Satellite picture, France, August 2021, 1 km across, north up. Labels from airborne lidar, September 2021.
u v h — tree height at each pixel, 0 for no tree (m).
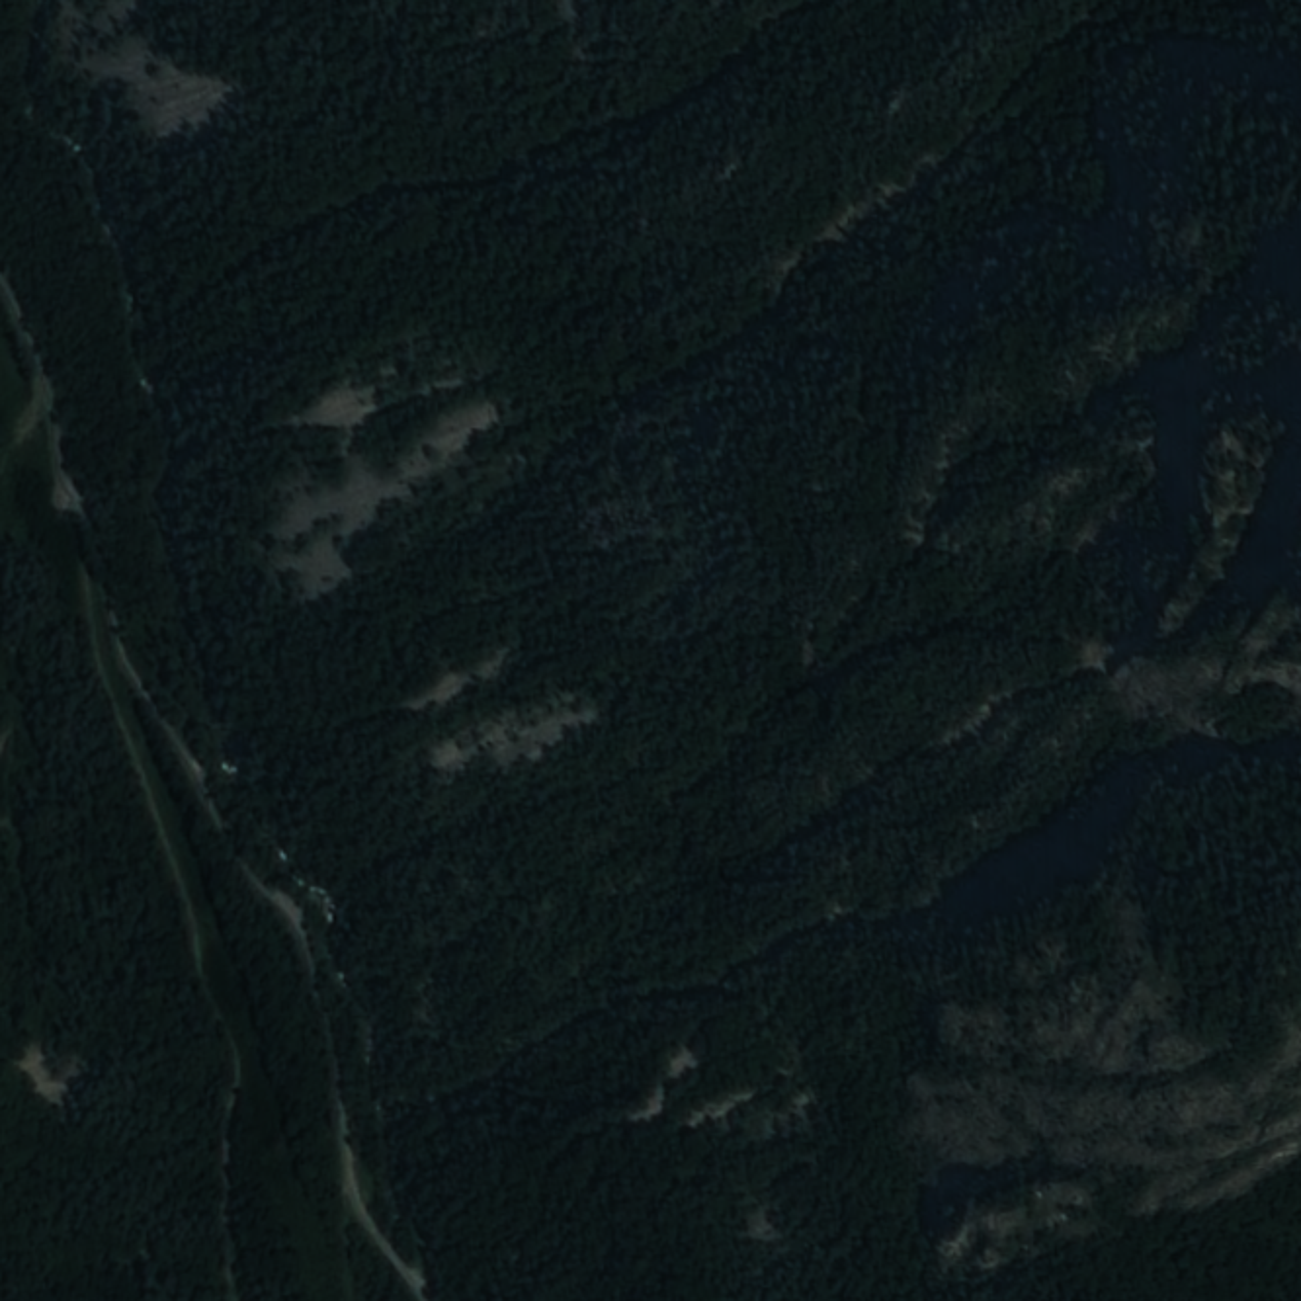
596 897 8
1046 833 17
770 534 29
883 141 18
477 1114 18
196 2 32
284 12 21
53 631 15
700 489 16
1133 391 26
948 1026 6
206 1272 17
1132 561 14
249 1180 26
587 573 24
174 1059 24
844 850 16
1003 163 23
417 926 21
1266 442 10
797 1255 6
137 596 22
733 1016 17
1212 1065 12
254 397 30
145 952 29
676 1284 25
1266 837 19
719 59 11
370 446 14
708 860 18
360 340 16
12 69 20
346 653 21
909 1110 7
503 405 8
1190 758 10
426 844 12
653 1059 17
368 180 13
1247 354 8
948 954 10
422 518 12
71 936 22
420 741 6
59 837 21
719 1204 15
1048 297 23
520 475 8
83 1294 34
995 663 11
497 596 9
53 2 8
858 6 25
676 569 14
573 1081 7
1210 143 9
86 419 27
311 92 17
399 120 12
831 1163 15
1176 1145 10
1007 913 19
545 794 19
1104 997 7
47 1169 20
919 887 11
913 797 17
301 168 20
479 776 9
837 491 15
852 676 23
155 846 21
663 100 11
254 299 13
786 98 25
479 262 18
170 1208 21
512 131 27
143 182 24
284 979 24
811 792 15
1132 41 24
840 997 8
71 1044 17
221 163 29
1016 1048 8
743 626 22
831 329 17
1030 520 7
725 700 6
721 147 25
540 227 19
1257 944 23
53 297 25
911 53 17
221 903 23
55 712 30
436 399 8
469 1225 15
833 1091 19
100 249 22
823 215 17
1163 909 13
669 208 17
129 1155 26
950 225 27
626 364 8
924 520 15
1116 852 12
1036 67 14
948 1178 0
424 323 6
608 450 27
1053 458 15
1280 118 9
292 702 25
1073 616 18
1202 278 10
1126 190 8
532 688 9
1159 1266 24
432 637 19
